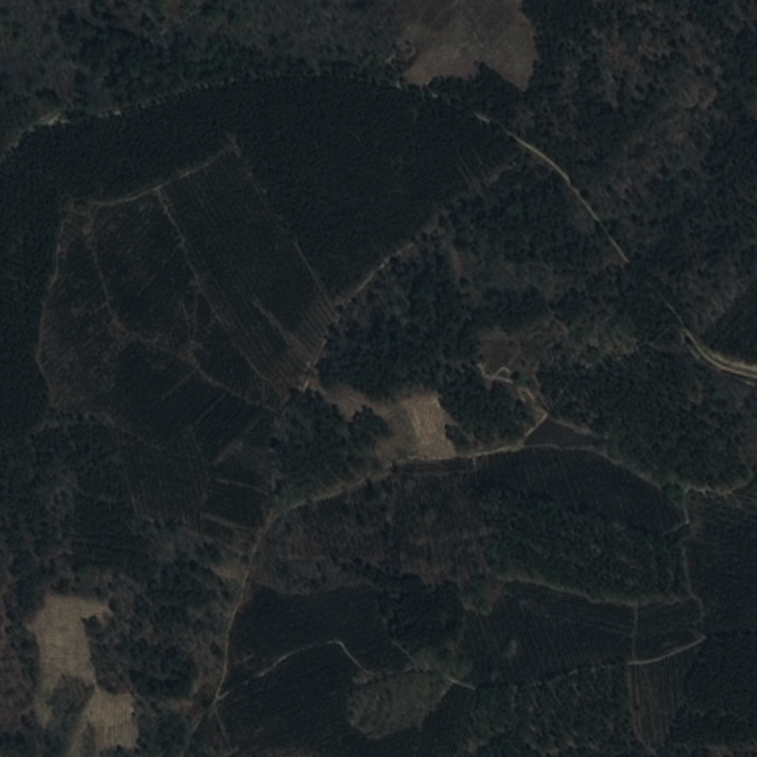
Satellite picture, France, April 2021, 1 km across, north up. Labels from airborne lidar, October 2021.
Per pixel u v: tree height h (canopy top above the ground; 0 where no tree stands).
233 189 7
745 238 17
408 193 13
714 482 17
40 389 17
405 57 6
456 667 11
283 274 8
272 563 11
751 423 10
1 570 0
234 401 8
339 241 16
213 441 8
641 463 15
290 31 11
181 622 24
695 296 8
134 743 0
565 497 7
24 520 20
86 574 19
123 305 7
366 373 26
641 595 18
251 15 12
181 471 7
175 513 7
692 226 12
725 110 20
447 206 15
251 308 8
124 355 6
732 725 13
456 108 19
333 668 8
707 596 6
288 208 18
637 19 10
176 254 6
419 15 0
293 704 6
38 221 17
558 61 9
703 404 8
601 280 10
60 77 13
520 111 7
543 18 10
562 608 6
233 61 13
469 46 0
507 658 12
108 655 18
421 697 11
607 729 18
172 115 16
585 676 20
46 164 15
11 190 16
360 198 15
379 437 26
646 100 25
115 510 15
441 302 20
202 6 6
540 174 9
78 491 12
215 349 6
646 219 19
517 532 26
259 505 7
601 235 19
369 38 8
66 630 0
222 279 7
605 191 11
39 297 16
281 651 6
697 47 10
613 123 26
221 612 17
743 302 11
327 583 11
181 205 8
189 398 7
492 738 13
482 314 15
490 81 11
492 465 7
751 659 15
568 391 21
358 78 15
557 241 20
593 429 19
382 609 11
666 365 16
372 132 16
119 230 6
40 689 17
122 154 16
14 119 23
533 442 0
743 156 18
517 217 19
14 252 19
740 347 12
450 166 18
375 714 13
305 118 15
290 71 17
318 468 27
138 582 14
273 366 6
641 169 7
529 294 11
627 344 15
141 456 6
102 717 0
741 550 6
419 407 0
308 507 17
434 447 0
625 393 19
